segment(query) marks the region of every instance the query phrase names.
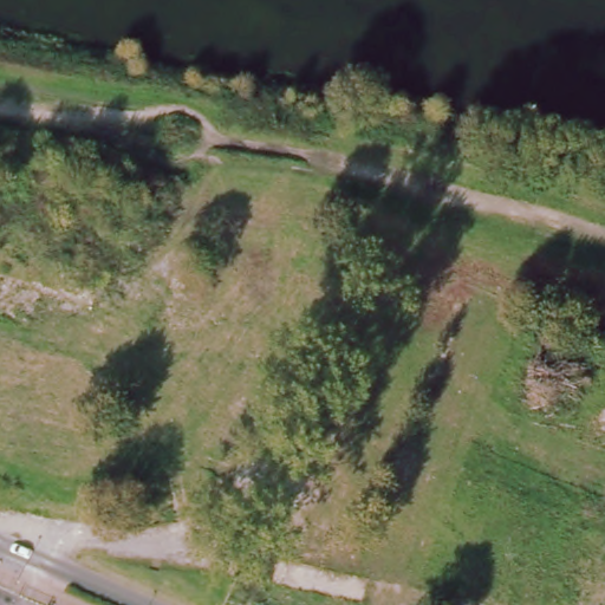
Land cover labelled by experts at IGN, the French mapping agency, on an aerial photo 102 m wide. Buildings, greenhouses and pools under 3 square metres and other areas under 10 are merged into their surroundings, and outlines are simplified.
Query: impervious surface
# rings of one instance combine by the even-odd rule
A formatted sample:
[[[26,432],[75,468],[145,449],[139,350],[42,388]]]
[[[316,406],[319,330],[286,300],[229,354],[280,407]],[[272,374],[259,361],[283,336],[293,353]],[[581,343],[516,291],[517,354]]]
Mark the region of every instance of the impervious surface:
[[[210,555],[203,546],[194,544],[191,520],[180,520],[165,527],[149,527],[142,532],[130,532],[123,541],[109,544],[97,539],[87,525],[69,520],[47,520],[0,508],[0,605],[149,605],[151,600],[144,593],[73,562],[69,555],[73,551],[99,548],[118,558],[144,558],[151,562],[173,562],[201,570],[213,565],[215,555]]]
[[[503,215],[513,222],[546,225],[553,232],[567,229],[574,236],[605,241],[605,227],[584,222],[558,210],[525,201],[463,189],[461,199],[475,213]]]

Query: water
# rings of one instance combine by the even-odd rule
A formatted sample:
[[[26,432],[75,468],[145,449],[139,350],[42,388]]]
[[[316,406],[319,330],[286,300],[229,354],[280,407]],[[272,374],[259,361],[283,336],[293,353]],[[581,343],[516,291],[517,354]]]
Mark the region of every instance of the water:
[[[286,92],[288,87],[293,87],[295,92],[314,97],[321,97],[326,92],[326,85],[333,76],[338,76],[347,66],[357,66],[362,71],[385,73],[390,95],[397,95],[406,97],[409,102],[425,102],[430,97],[440,97],[447,102],[449,109],[463,116],[470,106],[508,111],[525,104],[536,104],[544,116],[560,116],[565,121],[579,123],[586,130],[605,130],[605,0],[0,0],[0,26],[54,35],[76,50],[116,50],[118,43],[135,40],[142,50],[147,66],[151,71],[156,66],[165,66],[182,73],[199,71],[203,78],[225,80],[248,76],[251,83],[265,85],[267,92]]]

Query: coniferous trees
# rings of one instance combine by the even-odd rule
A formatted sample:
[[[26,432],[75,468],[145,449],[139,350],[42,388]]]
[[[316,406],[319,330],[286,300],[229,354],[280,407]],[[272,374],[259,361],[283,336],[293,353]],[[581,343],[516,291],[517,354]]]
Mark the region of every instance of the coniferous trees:
[[[357,147],[359,144],[354,139],[352,121],[364,121],[364,128],[385,123],[390,118],[388,104],[397,95],[390,95],[385,73],[362,71],[357,66],[347,66],[338,76],[333,76],[326,85],[326,92],[328,111],[336,118],[333,135],[352,139]]]
[[[570,364],[565,359],[555,357],[546,345],[539,347],[539,352],[532,359],[532,369],[527,369],[529,409],[548,406],[553,397],[560,395],[562,385],[572,380]]]
[[[135,40],[118,43],[116,50],[116,54],[125,61],[130,73],[144,73],[147,66],[142,50]]]

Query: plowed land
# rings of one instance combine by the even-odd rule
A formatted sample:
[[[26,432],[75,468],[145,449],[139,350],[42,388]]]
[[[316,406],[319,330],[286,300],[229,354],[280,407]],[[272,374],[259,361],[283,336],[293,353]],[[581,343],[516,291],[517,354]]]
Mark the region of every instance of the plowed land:
[[[9,331],[31,338],[33,331],[28,324],[24,326],[14,317],[0,312],[0,456],[9,458],[12,463],[38,468],[50,475],[76,477],[92,473],[99,461],[111,456],[116,451],[116,442],[95,442],[92,421],[78,411],[78,397],[87,392],[92,380],[92,373],[71,357],[35,352],[21,345],[19,340],[12,340]]]

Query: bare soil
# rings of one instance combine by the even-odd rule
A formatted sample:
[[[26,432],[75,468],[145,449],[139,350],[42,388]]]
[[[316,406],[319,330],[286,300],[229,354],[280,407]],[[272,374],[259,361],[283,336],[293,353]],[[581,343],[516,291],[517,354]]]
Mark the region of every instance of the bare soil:
[[[326,593],[338,605],[421,605],[425,600],[425,593],[421,588],[402,586],[395,581],[338,577],[314,567],[298,565],[277,562],[274,574],[277,584]]]

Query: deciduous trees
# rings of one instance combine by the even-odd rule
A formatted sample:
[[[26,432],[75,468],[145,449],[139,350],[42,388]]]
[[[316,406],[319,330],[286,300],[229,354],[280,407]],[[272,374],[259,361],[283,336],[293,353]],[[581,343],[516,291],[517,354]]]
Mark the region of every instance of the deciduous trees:
[[[246,397],[234,397],[229,411],[220,416],[217,428],[210,430],[210,435],[220,444],[232,442],[234,449],[227,458],[220,458],[215,468],[208,468],[210,499],[206,506],[206,520],[213,529],[222,534],[217,558],[236,560],[236,574],[248,572],[258,562],[262,567],[262,574],[274,574],[277,562],[298,565],[300,558],[295,555],[295,548],[303,546],[303,541],[293,534],[293,529],[305,522],[305,515],[312,508],[312,503],[319,503],[319,492],[328,484],[331,473],[343,466],[340,458],[333,456],[336,447],[345,440],[350,428],[357,425],[350,409],[359,409],[366,402],[371,388],[369,359],[359,350],[359,338],[354,336],[352,326],[369,310],[373,310],[373,300],[378,293],[399,295],[402,307],[411,300],[418,300],[418,288],[414,288],[414,279],[409,277],[406,265],[399,262],[395,253],[380,248],[380,239],[366,239],[354,232],[354,227],[362,220],[366,220],[369,208],[347,201],[333,184],[319,203],[319,210],[310,213],[310,225],[314,234],[326,246],[326,269],[321,279],[321,298],[314,300],[312,307],[305,310],[300,317],[300,326],[307,340],[300,347],[300,362],[288,364],[286,359],[267,357],[236,362],[232,373],[241,376],[243,371],[251,371],[258,380],[251,390],[251,402]]]
[[[154,510],[151,503],[142,503],[137,496],[132,496],[132,489],[125,482],[99,480],[92,484],[90,494],[97,522],[121,532],[130,532],[142,532],[149,527],[149,513]]]
[[[295,92],[293,87],[288,87],[286,92],[267,92],[265,85],[251,83],[248,76],[225,80],[203,78],[199,71],[182,73],[165,66],[156,66],[151,71],[147,66],[144,73],[130,73],[125,61],[116,54],[116,50],[76,50],[54,35],[0,26],[0,61],[26,64],[54,73],[92,73],[102,80],[130,85],[144,85],[158,78],[163,87],[180,90],[187,99],[201,97],[208,102],[225,104],[227,109],[253,106],[258,116],[269,121],[277,118],[284,128],[291,118],[284,104],[291,104],[298,97]]]
[[[196,248],[196,269],[210,279],[210,286],[220,286],[222,267],[213,265],[213,255],[206,248]]]
[[[142,432],[142,411],[137,411],[130,402],[106,392],[104,388],[97,388],[92,380],[87,392],[78,397],[78,411],[92,421],[95,442],[116,442]]]
[[[31,201],[28,180],[35,170],[45,170],[57,180],[57,184],[61,184],[90,210],[85,227],[90,227],[104,243],[111,243],[118,253],[121,248],[135,246],[135,241],[142,236],[147,225],[144,215],[151,196],[144,182],[121,182],[111,168],[106,168],[99,161],[97,144],[90,139],[78,139],[76,144],[71,142],[64,149],[59,149],[50,132],[38,132],[33,137],[33,158],[19,170],[12,170],[0,156],[0,201],[5,206],[14,206]]]
[[[402,508],[380,499],[385,487],[369,484],[359,499],[350,501],[345,510],[347,515],[343,515],[338,527],[345,548],[357,553],[359,558],[366,558],[373,551],[373,539],[388,532],[390,520]]]
[[[586,359],[593,366],[593,373],[605,373],[605,340],[598,336],[596,317],[588,314],[586,307],[579,303],[579,293],[555,286],[536,288],[534,284],[529,284],[522,293],[503,295],[501,303],[506,305],[506,319],[510,324],[518,324],[518,331],[532,328],[541,336],[546,345],[555,357],[565,359]]]
[[[440,132],[428,154],[425,163],[416,168],[423,175],[444,180],[444,170],[456,170],[461,175],[463,165],[482,168],[487,173],[510,173],[513,182],[522,182],[525,201],[558,210],[562,201],[572,196],[581,196],[605,206],[605,130],[586,130],[579,123],[565,121],[560,116],[544,116],[536,104],[525,104],[508,111],[470,106],[463,116],[449,109],[447,121],[440,123]]]

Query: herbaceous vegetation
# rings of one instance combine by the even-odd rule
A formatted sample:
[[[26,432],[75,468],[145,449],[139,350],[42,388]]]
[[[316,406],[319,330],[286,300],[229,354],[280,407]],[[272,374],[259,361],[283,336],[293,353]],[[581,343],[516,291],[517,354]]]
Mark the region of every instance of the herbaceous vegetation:
[[[277,584],[274,574],[262,574],[251,584],[251,598],[243,605],[338,605],[326,593]]]
[[[69,520],[87,525],[97,539],[109,544],[123,541],[130,532],[121,532],[97,522],[90,494],[92,484],[99,480],[125,482],[132,489],[132,496],[137,496],[142,503],[151,503],[154,510],[149,513],[149,527],[165,527],[180,520],[191,520],[196,515],[196,503],[189,501],[189,494],[180,489],[170,492],[173,477],[182,470],[180,423],[187,418],[191,409],[208,411],[208,423],[203,423],[196,432],[199,442],[208,449],[220,444],[210,435],[210,430],[217,428],[220,416],[229,411],[234,397],[246,397],[251,402],[251,390],[258,380],[251,371],[243,371],[241,376],[232,373],[236,362],[267,357],[286,359],[288,364],[300,362],[300,347],[307,340],[300,326],[300,317],[305,310],[312,307],[314,300],[321,298],[321,279],[326,269],[326,246],[314,234],[310,225],[310,213],[319,210],[319,203],[333,184],[347,201],[369,208],[366,220],[362,220],[354,227],[354,232],[366,239],[380,239],[380,248],[395,253],[399,262],[406,265],[409,277],[414,279],[414,288],[418,288],[418,300],[411,300],[402,307],[399,295],[378,293],[373,300],[373,310],[369,310],[352,326],[354,336],[359,338],[359,350],[369,359],[371,388],[366,402],[359,409],[350,409],[357,425],[350,428],[345,440],[336,447],[333,456],[340,458],[343,466],[331,473],[328,484],[319,492],[319,503],[312,503],[312,508],[305,515],[305,522],[293,529],[293,534],[303,541],[303,546],[295,548],[295,555],[300,558],[298,565],[314,567],[338,577],[395,581],[402,586],[421,588],[425,593],[425,600],[421,605],[605,605],[605,373],[593,373],[593,366],[586,359],[565,359],[570,364],[572,380],[562,385],[560,395],[553,397],[548,406],[529,409],[527,369],[532,369],[532,359],[539,352],[539,347],[546,345],[541,336],[532,328],[518,331],[518,324],[510,324],[506,319],[506,305],[501,303],[503,295],[522,293],[529,284],[534,284],[536,288],[555,286],[579,293],[579,303],[586,307],[588,314],[596,317],[598,336],[605,340],[605,241],[574,236],[567,229],[553,232],[546,225],[513,222],[503,215],[475,213],[461,199],[463,189],[525,201],[522,182],[513,182],[510,173],[487,173],[482,168],[463,165],[461,175],[456,170],[444,170],[444,180],[423,175],[416,168],[425,163],[428,154],[418,151],[416,147],[411,151],[404,151],[383,144],[359,144],[357,147],[352,139],[333,135],[336,118],[328,111],[326,92],[321,97],[314,97],[295,92],[298,97],[291,104],[284,104],[291,118],[284,128],[277,118],[269,121],[258,116],[253,106],[227,109],[225,104],[208,102],[201,97],[187,99],[180,90],[163,87],[158,78],[144,85],[130,85],[102,80],[92,73],[54,73],[26,64],[0,61],[0,116],[26,118],[31,113],[35,121],[52,118],[54,123],[87,125],[95,116],[102,116],[109,123],[121,123],[125,118],[125,109],[177,104],[208,118],[215,125],[215,130],[225,137],[286,144],[295,149],[333,151],[347,156],[345,170],[338,177],[333,177],[321,175],[317,165],[307,161],[262,158],[222,151],[222,163],[208,163],[208,173],[184,189],[182,210],[177,213],[170,227],[170,236],[147,258],[147,269],[132,279],[118,277],[118,286],[109,284],[106,291],[99,286],[76,291],[45,288],[43,284],[19,284],[12,281],[9,274],[0,274],[0,312],[14,317],[24,326],[28,324],[33,331],[31,338],[9,331],[12,340],[19,340],[21,345],[35,352],[71,357],[92,373],[92,380],[97,388],[104,388],[106,392],[130,402],[137,411],[142,411],[142,432],[116,442],[116,451],[111,456],[99,461],[92,473],[76,477],[50,475],[38,468],[12,463],[9,458],[0,456],[0,508],[47,520]],[[210,279],[196,269],[196,248],[206,248],[213,255],[213,265],[222,267],[220,286],[210,286]],[[416,388],[428,390],[430,395],[428,414],[421,421],[409,418],[411,395]],[[338,527],[343,515],[347,515],[345,510],[350,501],[359,499],[369,484],[385,487],[380,499],[402,508],[390,520],[388,532],[373,539],[373,551],[366,558],[359,558],[357,553],[345,548]]]
[[[558,210],[584,222],[605,227],[605,206],[581,196],[572,196],[562,201]]]
[[[151,562],[144,558],[118,558],[99,548],[73,551],[69,555],[73,562],[144,593],[151,600],[149,605],[182,605],[177,598],[189,586],[196,588],[201,584],[201,570],[173,562]]]

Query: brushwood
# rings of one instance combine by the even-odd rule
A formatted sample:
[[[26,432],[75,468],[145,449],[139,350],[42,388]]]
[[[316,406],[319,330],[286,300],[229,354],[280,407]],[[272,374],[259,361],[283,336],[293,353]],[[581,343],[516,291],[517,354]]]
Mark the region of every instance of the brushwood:
[[[262,574],[262,567],[258,562],[248,572],[236,574],[236,560],[217,558],[222,534],[213,529],[206,520],[206,506],[210,499],[208,468],[215,468],[220,458],[227,458],[234,449],[232,442],[220,444],[208,449],[199,442],[196,432],[203,423],[208,423],[208,411],[191,409],[187,418],[180,423],[182,470],[173,477],[170,492],[180,489],[189,494],[189,501],[196,503],[196,515],[191,520],[194,544],[203,546],[210,555],[215,555],[213,565],[201,570],[201,584],[196,588],[189,586],[177,598],[182,605],[243,605],[251,598],[251,584]]]
[[[338,177],[345,170],[347,156],[333,151],[295,149],[286,144],[225,137],[215,130],[215,125],[208,118],[177,104],[125,109],[125,118],[121,123],[109,123],[102,116],[95,116],[87,125],[54,123],[52,118],[35,121],[31,113],[26,118],[0,116],[0,156],[12,170],[19,170],[33,158],[33,137],[38,132],[50,132],[59,149],[64,149],[71,142],[76,144],[78,139],[90,139],[97,144],[99,161],[106,168],[111,168],[121,182],[144,182],[151,196],[144,215],[147,225],[142,236],[135,241],[135,246],[121,248],[118,253],[111,243],[104,243],[90,227],[85,227],[90,210],[61,184],[57,184],[57,180],[45,170],[35,170],[28,180],[31,201],[14,206],[5,206],[0,201],[0,274],[9,274],[12,281],[19,284],[43,284],[45,288],[76,291],[99,286],[106,291],[109,284],[118,286],[118,277],[132,279],[147,269],[147,258],[170,236],[170,227],[177,213],[182,210],[184,189],[208,173],[208,163],[222,163],[222,151],[262,158],[307,161],[317,165],[321,175],[333,177]]]
[[[411,395],[409,418],[421,421],[428,414],[430,395],[428,390],[416,388]]]
[[[397,95],[388,104],[390,118],[385,123],[364,128],[364,121],[352,121],[354,139],[359,144],[383,144],[404,151],[411,151],[416,147],[418,151],[428,154],[440,132],[440,123],[447,121],[449,109],[447,102],[440,97],[430,97],[425,102],[409,102],[406,97]]]

